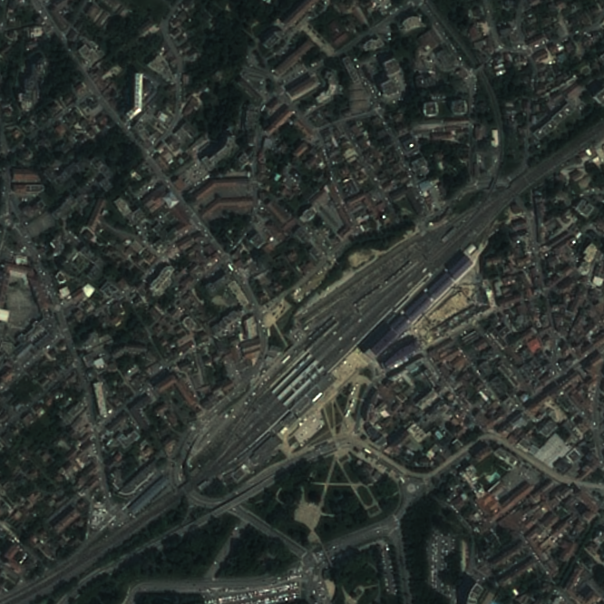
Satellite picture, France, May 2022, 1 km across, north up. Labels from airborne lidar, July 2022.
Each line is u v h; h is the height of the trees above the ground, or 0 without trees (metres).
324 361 0
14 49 6
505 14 8
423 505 22
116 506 0
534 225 0
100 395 0
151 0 0
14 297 0
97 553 0
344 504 24
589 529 9
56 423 7
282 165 8
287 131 13
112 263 12
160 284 0
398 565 9
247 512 0
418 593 19
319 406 0
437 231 0
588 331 0
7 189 0
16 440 6
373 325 0
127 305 9
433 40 0
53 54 22
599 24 0
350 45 0
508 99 16
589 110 12
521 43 0
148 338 6
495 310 0
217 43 27
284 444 0
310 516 0
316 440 0
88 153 21
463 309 0
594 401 0
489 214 0
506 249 17
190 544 25
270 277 6
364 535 0
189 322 0
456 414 0
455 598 0
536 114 10
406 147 0
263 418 0
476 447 0
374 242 11
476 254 0
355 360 0
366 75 7
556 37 6
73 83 15
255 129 8
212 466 0
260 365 0
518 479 0
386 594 13
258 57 7
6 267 0
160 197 0
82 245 0
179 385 0
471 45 11
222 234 14
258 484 0
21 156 16
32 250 0
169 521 9
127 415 8
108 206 0
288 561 20
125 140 18
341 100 17
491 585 15
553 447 0
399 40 12
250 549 14
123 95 14
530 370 0
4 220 0
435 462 7
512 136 16
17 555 9
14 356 0
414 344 0
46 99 22
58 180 0
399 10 0
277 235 0
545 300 9
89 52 0
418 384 10
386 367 0
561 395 0
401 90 0
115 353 0
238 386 0
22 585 0
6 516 6
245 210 0
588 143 0
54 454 11
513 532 0
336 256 0
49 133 11
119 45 7
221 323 0
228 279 0
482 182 0
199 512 6
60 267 29
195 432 0
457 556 12
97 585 13
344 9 0
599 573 20
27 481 5
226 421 0
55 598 11
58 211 0
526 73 7
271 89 12
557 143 13
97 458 0
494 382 0
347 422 0
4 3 0
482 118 11
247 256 10
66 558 12
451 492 0
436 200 0
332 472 0
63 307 0
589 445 0
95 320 19
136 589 0
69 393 7
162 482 0
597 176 12
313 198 0
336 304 0
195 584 0
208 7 13
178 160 6
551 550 5
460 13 13
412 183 0
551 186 17
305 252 7
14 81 20
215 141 16
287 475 21
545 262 7
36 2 0
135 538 11
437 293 0
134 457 12
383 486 26
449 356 0
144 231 0
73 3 7
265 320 0
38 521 7
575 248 5
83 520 6
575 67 9
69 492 7
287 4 18
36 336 0
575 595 0
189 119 7
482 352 7
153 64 0
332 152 0
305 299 8
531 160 14
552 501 0
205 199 0
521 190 0
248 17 18
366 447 0
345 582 16
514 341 15
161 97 7
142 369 14
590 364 0
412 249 0
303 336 0
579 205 0
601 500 8
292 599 0
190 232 0
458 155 11
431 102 0
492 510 0
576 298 0
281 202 9
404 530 12
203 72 9
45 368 7
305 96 0
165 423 8
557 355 0
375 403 0
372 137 8
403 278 0
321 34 9
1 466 15
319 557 0
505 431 0
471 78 0
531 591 13
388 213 8
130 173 8
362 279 0
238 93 16
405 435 0
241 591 0
